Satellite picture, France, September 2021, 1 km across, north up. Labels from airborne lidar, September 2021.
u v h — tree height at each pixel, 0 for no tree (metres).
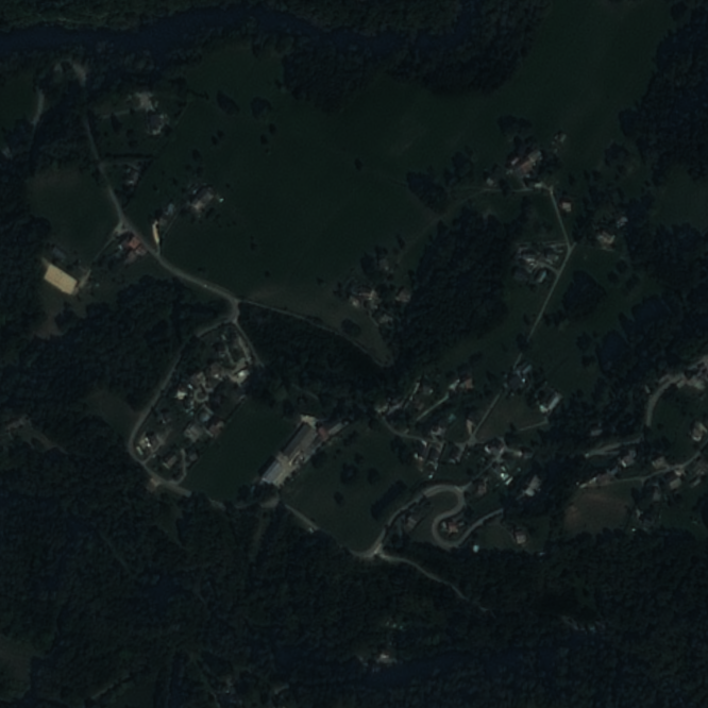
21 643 26
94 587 25
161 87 21
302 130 0
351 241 0
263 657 23
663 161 18
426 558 17
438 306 28
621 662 24
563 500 6
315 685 27
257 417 0
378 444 0
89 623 28
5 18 31
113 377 20
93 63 9
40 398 26
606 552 20
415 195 20
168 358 15
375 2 9
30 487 24
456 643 26
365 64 21
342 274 0
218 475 0
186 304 23
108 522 31
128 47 26
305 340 8
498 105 0
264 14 19
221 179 0
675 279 34
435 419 6
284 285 0
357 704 24
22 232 15
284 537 16
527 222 15
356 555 0
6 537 21
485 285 19
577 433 8
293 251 0
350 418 8
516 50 16
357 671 17
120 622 15
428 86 11
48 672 12
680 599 23
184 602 25
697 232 0
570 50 0
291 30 26
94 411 0
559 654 32
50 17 55
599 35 0
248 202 0
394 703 23
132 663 23
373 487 11
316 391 21
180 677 20
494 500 0
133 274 0
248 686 15
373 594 22
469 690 25
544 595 21
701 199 0
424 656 17
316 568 26
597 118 0
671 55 16
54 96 18
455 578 18
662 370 17
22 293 25
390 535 7
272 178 0
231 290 0
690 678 7
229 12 40
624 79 0
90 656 23
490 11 19
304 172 0
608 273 0
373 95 0
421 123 0
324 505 0
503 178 0
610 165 16
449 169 0
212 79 0
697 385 0
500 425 0
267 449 0
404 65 7
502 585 22
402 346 21
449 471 0
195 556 21
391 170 0
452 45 10
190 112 0
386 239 0
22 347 10
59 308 0
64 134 18
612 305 0
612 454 0
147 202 0
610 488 0
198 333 19
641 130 20
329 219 0
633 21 0
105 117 0
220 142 6
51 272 0
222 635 21
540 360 0
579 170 0
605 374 12
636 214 9
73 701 11
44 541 12
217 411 15
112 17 45
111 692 9
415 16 27
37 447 13
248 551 24
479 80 22
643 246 28
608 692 26
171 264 0
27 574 9
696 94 7
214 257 0
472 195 0
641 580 27
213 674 25
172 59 25
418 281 9
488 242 21
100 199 0
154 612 12
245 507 16
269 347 6
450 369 0
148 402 16
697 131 34
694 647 24
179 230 0
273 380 18
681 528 0
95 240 0
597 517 0
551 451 13
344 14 29
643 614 33
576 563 23
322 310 0
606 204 18
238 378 0
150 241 0
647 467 6
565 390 0
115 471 14
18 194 23
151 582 32
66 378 26
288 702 5
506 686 35
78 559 20
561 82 0
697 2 17
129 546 29
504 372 0
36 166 13
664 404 6
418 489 0
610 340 0
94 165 18
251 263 0
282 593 33
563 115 0
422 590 14
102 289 0
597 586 19
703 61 30
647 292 0
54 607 23
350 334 22
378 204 0
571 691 28
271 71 0
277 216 0
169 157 0
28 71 20
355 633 37
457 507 0
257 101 0
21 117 0
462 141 0
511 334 0
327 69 25
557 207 0
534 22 19
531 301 0
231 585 23
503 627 27
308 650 20
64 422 19
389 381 9
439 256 23
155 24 35
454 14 28
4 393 28
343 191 0
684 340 8
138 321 21
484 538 0
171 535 0
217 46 22
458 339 26
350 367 11
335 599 31
